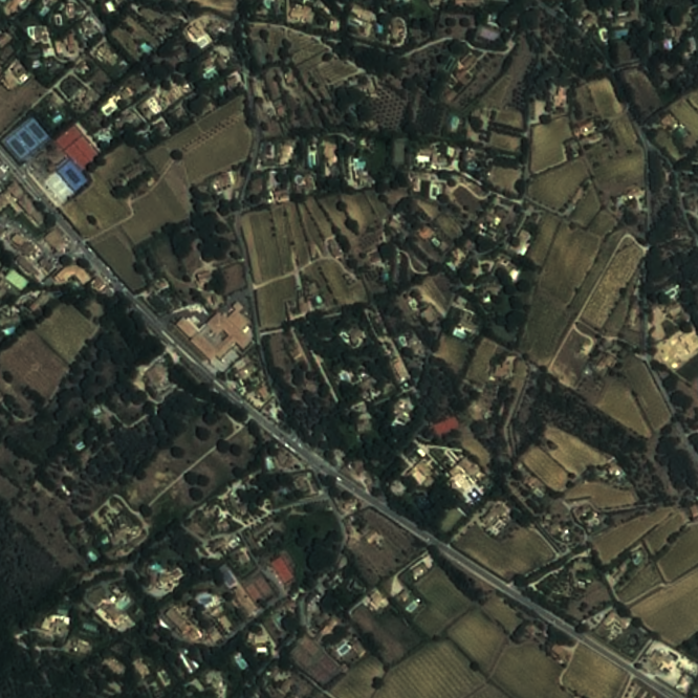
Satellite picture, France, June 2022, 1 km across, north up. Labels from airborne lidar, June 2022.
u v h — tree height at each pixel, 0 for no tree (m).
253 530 9
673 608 0
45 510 0
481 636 0
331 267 0
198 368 0
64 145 0
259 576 0
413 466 0
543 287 0
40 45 10
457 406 10
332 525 0
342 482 0
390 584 0
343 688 0
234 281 0
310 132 14
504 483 8
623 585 6
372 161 0
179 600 10
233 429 0
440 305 0
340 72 0
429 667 0
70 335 0
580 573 6
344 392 10
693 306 17
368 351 13
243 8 14
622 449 6
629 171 0
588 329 0
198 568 11
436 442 18
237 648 9
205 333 0
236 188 0
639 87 0
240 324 0
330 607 12
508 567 0
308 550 11
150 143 6
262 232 0
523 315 10
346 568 12
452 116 0
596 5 10
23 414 10
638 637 0
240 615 12
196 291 11
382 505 0
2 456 0
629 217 8
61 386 8
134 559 13
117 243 0
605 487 0
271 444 10
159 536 12
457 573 9
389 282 7
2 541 13
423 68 7
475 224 8
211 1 0
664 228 12
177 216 0
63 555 0
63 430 9
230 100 15
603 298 0
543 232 0
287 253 0
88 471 10
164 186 0
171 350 0
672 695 0
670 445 11
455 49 13
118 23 8
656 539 0
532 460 0
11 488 0
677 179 9
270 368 8
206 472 0
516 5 13
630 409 0
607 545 0
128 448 9
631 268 0
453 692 0
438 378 12
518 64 0
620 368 8
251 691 12
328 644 10
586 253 0
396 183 13
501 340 7
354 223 14
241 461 0
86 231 0
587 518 6
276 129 0
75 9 10
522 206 8
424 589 0
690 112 0
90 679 7
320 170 8
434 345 11
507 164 8
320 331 13
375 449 14
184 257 12
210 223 14
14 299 9
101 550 11
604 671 0
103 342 13
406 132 11
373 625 0
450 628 0
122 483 9
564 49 6
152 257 10
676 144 7
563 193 0
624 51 0
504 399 7
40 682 8
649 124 8
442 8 7
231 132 0
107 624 9
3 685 10
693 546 0
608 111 0
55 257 0
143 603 6
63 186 0
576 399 8
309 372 9
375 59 13
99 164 12
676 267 12
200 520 6
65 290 10
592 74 15
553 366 0
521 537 0
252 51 10
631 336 0
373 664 0
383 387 10
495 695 0
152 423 10
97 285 0
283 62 6
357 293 0
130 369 7
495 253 7
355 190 8
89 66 7
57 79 6
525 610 7
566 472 0
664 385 9
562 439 0
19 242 0
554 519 6
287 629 13
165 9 11
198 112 15
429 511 12
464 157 10
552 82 14
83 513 10
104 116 6
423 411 11
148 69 10
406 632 0
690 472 10
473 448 0
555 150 0
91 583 6
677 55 9
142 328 12
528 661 0
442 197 12
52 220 9
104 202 0
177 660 10
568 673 0
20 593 10
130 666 10
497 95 0
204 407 9
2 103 0
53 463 8
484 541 0
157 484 0
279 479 11
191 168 0
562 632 8
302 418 11
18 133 0
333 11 12
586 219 0
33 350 0
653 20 11
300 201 12
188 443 0
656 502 9
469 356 6
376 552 0
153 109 0
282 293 0
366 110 12
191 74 13
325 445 12
